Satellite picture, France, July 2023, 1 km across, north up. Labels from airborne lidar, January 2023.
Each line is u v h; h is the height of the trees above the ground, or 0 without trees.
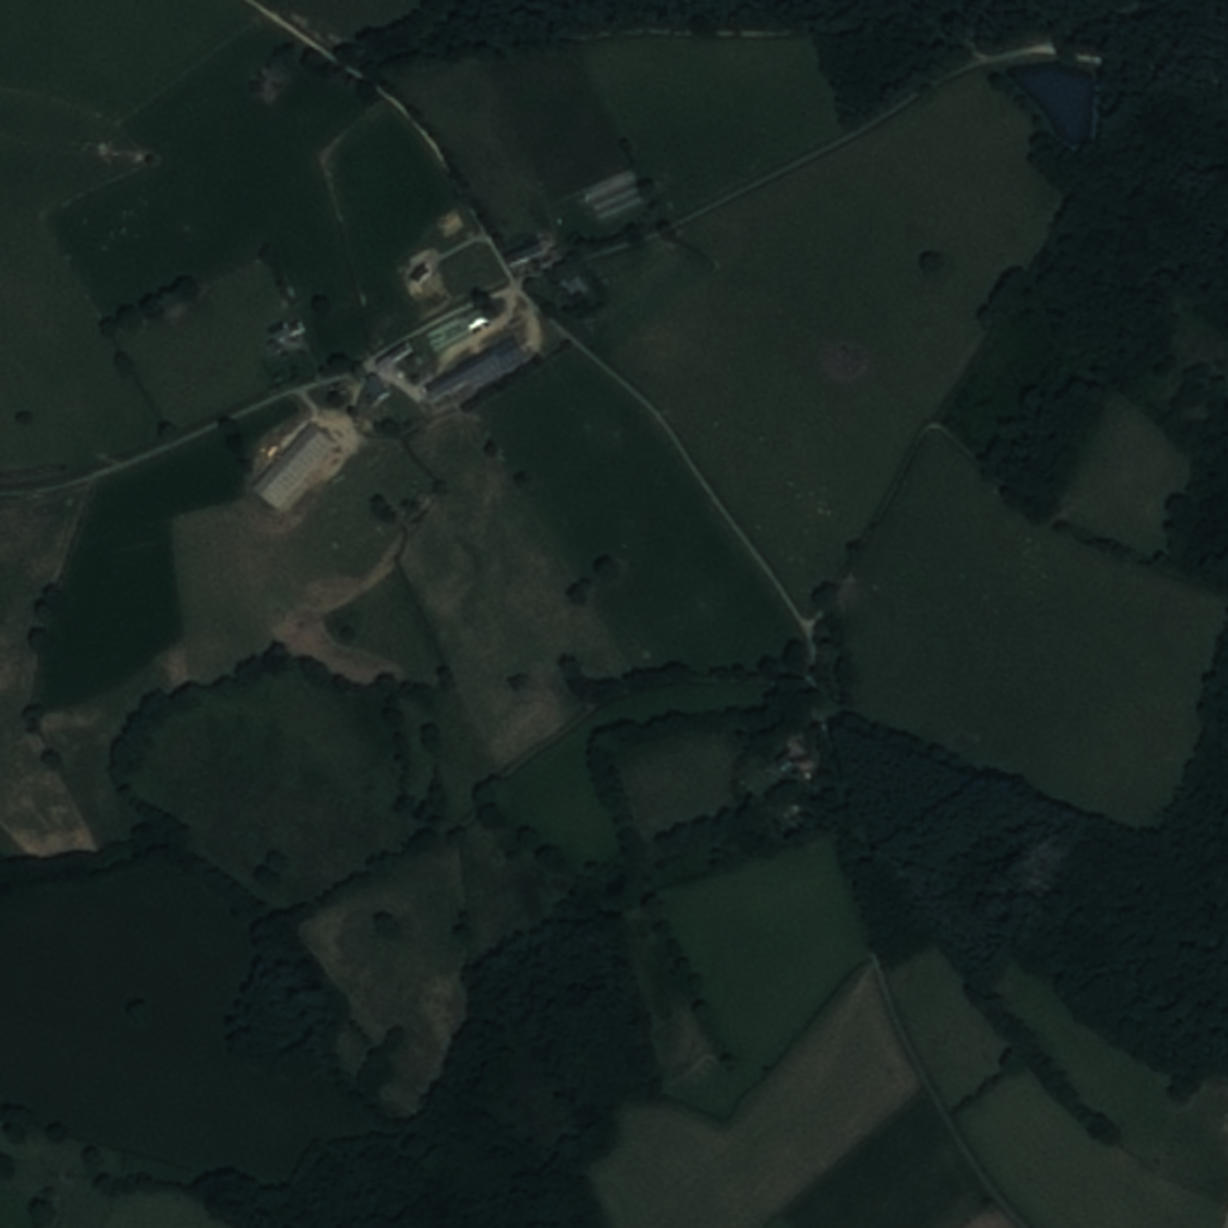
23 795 0
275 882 20
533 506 0
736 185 0
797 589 0
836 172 0
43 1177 0
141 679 0
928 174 0
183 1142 0
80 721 0
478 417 0
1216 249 21
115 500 0
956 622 0
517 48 9
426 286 0
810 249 0
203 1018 0
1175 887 16
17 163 0
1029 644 0
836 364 0
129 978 0
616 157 0
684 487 0
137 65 0
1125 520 0
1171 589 0
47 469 0
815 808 15
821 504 0
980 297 0
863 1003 0
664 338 0
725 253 0
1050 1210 0
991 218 0
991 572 0
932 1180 0
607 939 22
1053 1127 0
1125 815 0
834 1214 0
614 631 0
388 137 0
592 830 0
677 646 0
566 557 0
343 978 0
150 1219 0
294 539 0
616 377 0
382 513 17
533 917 0
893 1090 0
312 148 0
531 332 0
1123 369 9
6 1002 0
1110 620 0
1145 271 14
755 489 0
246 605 0
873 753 30
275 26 0
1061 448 20
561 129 0
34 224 0
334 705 0
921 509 0
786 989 0
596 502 0
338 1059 9
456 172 9
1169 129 14
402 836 0
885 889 17
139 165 0
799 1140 0
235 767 0
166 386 0
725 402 0
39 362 0
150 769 0
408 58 10
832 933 0
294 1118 0
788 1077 0
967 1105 8
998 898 18
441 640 0
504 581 0
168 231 0
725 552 0
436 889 0
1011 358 0
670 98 0
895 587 0
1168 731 0
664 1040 0
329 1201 13
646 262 0
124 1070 0
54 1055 0
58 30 0
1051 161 20
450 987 0
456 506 0
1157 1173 0
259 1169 0
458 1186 10
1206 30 22
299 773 0
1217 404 8
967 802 35
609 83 0
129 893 0
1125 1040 16
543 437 0
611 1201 0
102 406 0
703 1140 0
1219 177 21
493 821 25
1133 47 22
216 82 0
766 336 0
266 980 20
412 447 0
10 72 0
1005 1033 19
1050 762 0
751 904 0
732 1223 0
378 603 0
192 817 0
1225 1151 0
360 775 0
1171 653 0
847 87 15
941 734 0
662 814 0
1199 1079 12
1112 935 11
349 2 0
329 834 0
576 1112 6
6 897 12
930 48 16
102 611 0
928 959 0
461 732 0
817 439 0
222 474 0
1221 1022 17
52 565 0
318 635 0
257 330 0
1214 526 7
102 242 0
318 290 0
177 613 0
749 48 0
